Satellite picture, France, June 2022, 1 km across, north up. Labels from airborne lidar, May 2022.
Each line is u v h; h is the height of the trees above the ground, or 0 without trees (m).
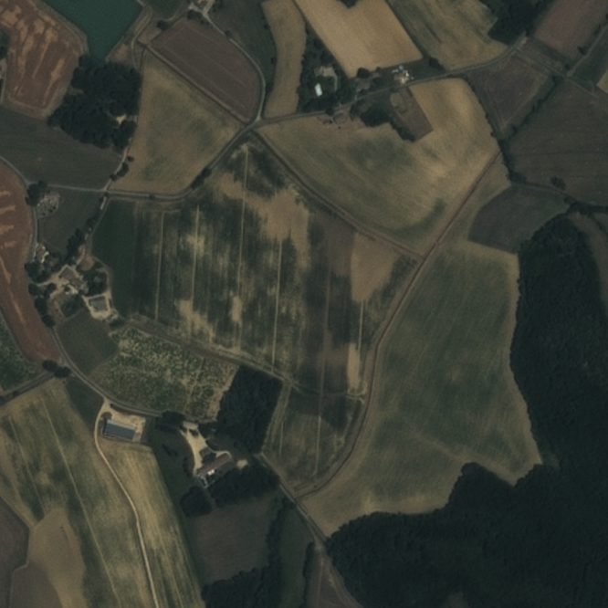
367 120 8
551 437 15
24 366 0
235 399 23
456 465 0
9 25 0
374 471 0
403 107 0
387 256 0
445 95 0
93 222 12
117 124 18
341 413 0
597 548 21
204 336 0
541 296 11
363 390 0
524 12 18
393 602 15
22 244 0
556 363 15
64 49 0
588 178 0
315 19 0
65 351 0
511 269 0
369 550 12
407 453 0
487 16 0
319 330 0
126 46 0
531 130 0
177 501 0
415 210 0
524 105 0
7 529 0
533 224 0
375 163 0
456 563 12
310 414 0
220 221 0
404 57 0
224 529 0
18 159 0
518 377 13
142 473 0
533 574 13
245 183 0
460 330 0
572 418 20
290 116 0
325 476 0
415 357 0
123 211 0
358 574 13
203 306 0
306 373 0
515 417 0
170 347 0
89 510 0
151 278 0
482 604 11
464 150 0
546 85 0
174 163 0
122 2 0
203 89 0
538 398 13
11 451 0
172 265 0
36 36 0
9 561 0
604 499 18
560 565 11
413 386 0
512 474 0
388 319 0
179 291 0
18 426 0
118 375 0
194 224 0
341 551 11
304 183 0
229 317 0
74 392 0
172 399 0
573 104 0
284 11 0
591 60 0
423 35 0
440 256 0
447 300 0
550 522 19
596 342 22
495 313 0
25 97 0
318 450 0
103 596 0
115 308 0
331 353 0
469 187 0
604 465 19
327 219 0
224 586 21
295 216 0
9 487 0
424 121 0
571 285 6
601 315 17
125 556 0
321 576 0
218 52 0
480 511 14
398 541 23
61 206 0
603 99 0
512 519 20
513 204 0
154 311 0
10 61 0
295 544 0
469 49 0
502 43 0
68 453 0
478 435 0
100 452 0
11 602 0
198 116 0
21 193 0
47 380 0
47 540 0
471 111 0
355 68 0
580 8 0
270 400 19
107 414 0
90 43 0
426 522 11
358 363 0
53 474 0
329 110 10
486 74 0
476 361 0
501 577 17
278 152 0
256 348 0
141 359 0
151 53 0
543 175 0
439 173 0
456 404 0
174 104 0
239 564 0
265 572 16
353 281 0
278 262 0
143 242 0
